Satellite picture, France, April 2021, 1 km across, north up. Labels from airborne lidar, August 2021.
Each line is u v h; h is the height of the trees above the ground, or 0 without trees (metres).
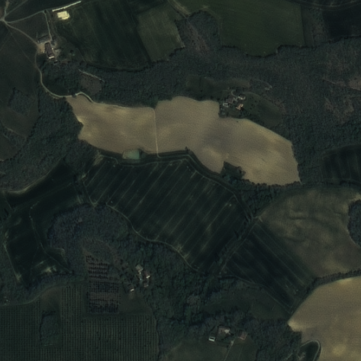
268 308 0
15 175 12
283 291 0
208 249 0
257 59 13
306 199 0
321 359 0
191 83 0
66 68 20
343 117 15
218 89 0
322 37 12
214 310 0
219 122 0
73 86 14
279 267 0
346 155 0
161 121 0
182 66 24
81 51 0
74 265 24
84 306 0
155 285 8
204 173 0
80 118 0
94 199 0
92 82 6
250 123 0
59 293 0
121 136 0
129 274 7
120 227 27
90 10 0
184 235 0
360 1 0
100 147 0
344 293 0
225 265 0
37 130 16
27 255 0
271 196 17
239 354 0
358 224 19
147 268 14
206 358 0
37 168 17
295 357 6
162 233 0
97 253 13
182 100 0
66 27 0
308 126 10
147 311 0
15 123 0
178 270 26
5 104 0
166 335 19
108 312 7
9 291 10
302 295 0
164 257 22
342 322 0
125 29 0
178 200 0
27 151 15
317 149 20
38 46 0
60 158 17
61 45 0
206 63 24
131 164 0
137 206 0
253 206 14
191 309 20
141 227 0
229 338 15
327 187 10
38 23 0
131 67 0
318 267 0
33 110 0
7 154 0
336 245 0
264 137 0
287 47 14
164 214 0
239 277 0
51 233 16
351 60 11
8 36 0
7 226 0
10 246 0
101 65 0
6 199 0
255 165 0
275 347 9
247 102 0
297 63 16
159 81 20
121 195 0
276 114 0
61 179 0
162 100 18
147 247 11
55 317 13
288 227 0
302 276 0
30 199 0
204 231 0
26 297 21
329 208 0
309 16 0
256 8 0
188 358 0
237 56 15
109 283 7
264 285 0
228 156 0
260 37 0
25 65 0
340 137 16
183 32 12
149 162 0
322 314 0
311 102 20
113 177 0
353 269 0
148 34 0
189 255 0
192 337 18
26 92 0
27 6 0
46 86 11
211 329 18
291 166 0
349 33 0
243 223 0
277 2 0
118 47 0
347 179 0
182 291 16
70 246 13
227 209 0
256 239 0
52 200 0
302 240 0
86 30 0
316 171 14
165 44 0
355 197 0
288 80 15
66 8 0
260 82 13
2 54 0
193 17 12
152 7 0
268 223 0
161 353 11
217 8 0
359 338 0
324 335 0
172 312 16
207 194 0
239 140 0
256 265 0
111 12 0
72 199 0
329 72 8
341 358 0
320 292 0
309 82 20
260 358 19
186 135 0
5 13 0
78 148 16
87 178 0
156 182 0
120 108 0
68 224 10
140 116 0
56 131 27
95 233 16
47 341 13
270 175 0
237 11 0
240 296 0
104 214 26
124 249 18
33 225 0
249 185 19
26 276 0
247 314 10
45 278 14
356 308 0
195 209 0
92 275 7
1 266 14
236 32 0
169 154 0
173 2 0
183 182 0
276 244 0
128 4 0
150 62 0
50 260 0
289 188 17
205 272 0
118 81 19
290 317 0
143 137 0
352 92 14
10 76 0
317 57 10
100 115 0
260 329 21
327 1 0
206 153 0
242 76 20
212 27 13
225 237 0
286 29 0
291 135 17
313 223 0
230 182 11
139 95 16
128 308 0
